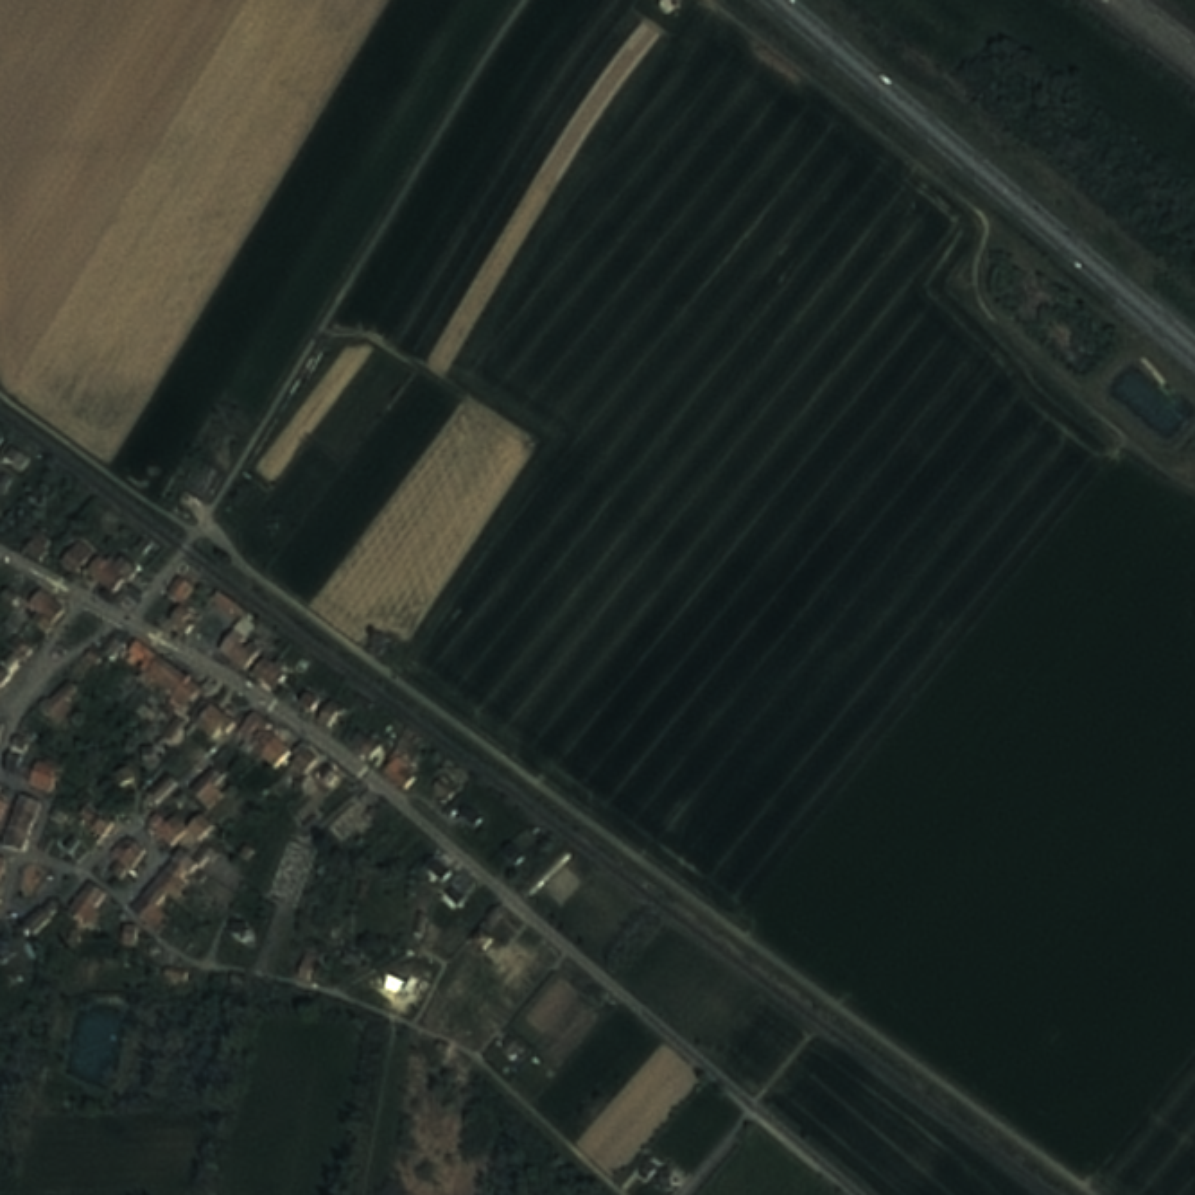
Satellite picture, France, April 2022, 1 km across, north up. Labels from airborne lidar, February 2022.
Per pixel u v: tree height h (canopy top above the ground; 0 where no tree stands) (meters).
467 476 0
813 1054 0
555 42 0
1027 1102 0
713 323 0
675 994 0
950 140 0
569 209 0
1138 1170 0
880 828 0
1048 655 0
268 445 0
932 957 0
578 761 0
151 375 0
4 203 0
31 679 0
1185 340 0
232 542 0
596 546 0
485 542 0
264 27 0
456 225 0
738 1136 0
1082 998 0
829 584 0
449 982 0
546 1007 0
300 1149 0
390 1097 0
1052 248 0
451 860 0
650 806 0
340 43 0
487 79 0
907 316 0
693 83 0
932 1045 0
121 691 0
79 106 0
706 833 0
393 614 0
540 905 8
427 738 0
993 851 0
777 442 0
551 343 0
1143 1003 0
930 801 0
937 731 0
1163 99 0
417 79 0
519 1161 28
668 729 0
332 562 0
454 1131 0
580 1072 0
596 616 0
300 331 0
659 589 0
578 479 0
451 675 0
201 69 0
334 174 0
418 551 0
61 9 0
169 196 0
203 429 0
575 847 0
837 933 0
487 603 0
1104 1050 0
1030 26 0
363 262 0
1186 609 0
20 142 0
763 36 0
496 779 0
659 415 0
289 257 0
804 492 0
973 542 0
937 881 0
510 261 0
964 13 0
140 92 0
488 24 0
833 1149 0
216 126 0
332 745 0
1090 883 0
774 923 0
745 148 0
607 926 0
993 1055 0
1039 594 0
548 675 0
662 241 0
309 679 0
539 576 0
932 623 0
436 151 0
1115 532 0
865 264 0
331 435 0
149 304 0
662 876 0
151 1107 18
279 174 0
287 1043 0
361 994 0
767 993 0
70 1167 0
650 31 0
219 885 0
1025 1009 0
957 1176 0
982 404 0
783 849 0
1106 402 0
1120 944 0
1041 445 0
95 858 0
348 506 0
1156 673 0
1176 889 0
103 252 0
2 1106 19
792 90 0
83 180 0
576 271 0
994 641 0
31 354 0
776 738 0
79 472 0
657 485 0
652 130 0
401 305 0
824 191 0
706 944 0
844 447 0
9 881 0
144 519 0
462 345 0
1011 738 0
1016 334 0
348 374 0
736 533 0
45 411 0
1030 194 0
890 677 0
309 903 8
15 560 0
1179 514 0
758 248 0
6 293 0
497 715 0
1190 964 0
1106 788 0
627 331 0
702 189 0
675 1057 0
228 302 0
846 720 0
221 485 0
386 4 0
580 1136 0
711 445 0
